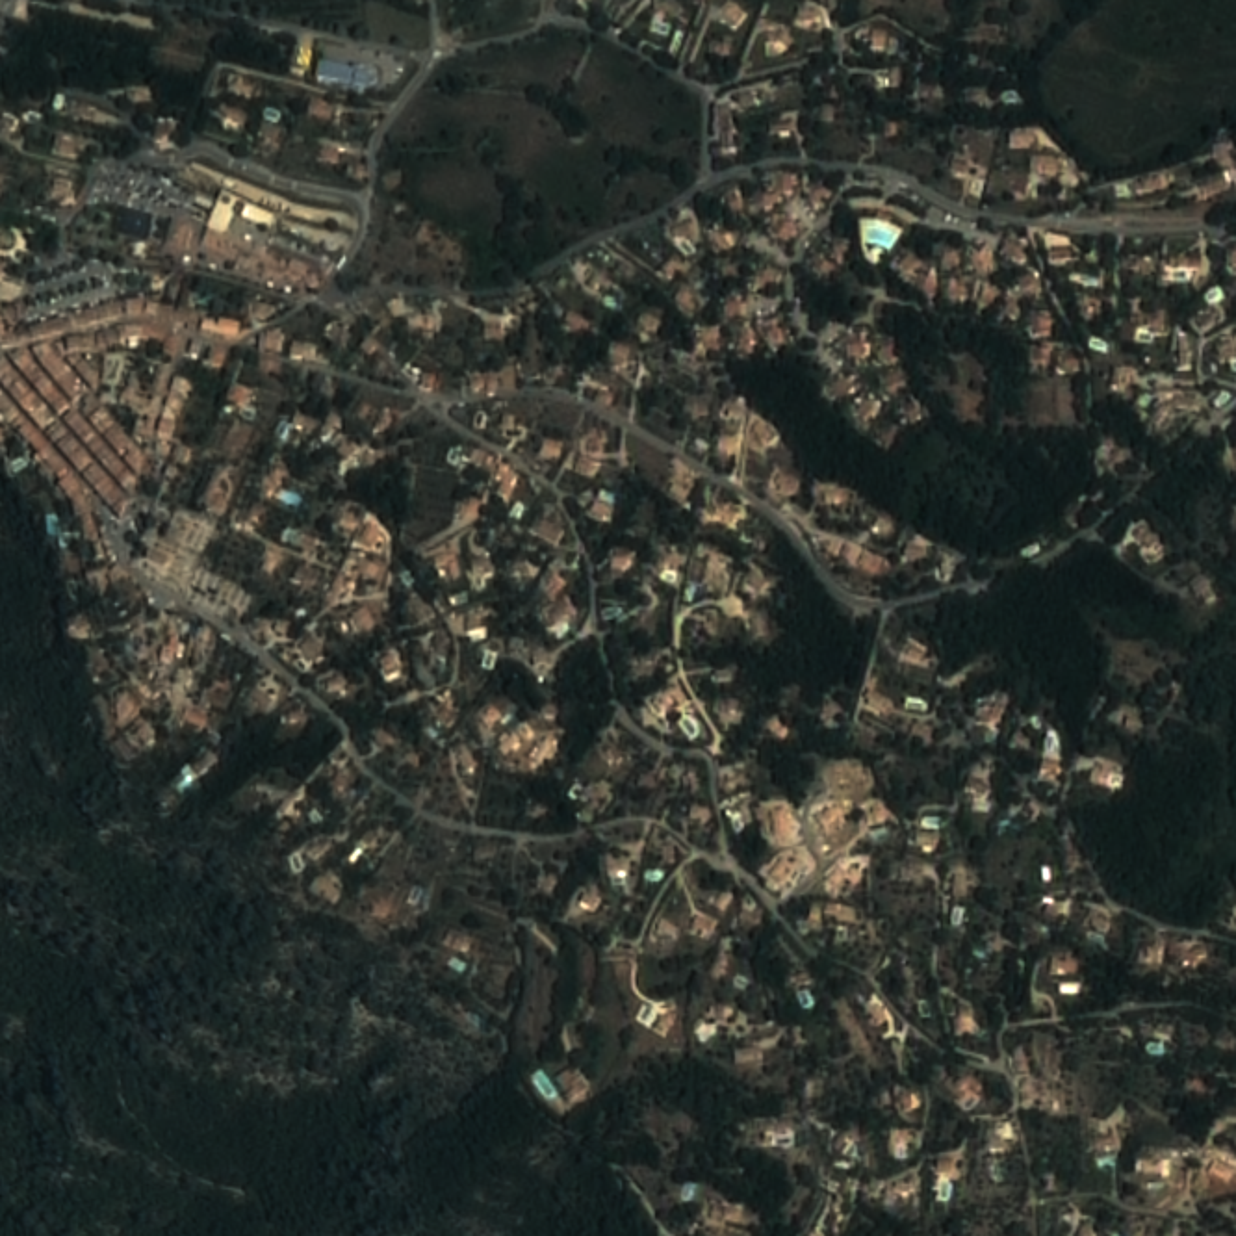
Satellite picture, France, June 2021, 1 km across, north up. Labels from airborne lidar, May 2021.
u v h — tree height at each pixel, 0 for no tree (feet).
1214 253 36
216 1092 21
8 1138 25
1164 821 44
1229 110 33
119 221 0
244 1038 24
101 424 0
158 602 0
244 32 38
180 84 57
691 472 0
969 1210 18
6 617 20
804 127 40
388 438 25
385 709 22
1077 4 24
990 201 30
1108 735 23
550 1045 44
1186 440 33
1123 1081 28
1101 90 0
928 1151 36
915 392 23
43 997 26
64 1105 61
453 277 24
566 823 36
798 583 46
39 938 86
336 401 39
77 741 21
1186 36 0
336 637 20
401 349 20
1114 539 34
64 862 18
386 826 21
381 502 50
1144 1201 21
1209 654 30
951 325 21
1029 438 36
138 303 0
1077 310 32
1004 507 55
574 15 29
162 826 21
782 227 0
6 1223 37
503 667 48
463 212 0
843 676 45
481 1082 23
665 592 21
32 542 20
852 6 37
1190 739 39
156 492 34
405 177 20
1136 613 20
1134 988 31
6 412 0
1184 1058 29
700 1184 44
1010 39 20
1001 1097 26
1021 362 32
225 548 20
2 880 28
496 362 42
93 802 34
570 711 48
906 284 30
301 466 30
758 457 0
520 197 35
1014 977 35
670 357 32
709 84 23
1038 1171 23
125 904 25
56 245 37
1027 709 39
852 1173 22
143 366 26
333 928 22
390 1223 22
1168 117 0
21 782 22
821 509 31
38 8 40
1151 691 50
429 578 18
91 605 42
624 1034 31
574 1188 29
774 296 41
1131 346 27
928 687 30
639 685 30
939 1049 29
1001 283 32
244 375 23
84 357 20
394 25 0
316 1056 44
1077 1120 24
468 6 0
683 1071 26
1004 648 30
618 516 28
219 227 0
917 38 23
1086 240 29
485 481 29
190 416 19
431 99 0
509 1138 39
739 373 47
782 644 32
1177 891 43
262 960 52
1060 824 32
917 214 31
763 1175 35
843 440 58
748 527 25
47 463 0
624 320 45
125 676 17
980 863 31
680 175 42
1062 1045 31
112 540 0
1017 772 26
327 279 0
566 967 38
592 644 34
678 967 30
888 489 58
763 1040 0
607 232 0
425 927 27
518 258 26
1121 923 19
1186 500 31
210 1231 38
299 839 22
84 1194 28
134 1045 66
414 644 27
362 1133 41
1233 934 21
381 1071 46
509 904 39
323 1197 34
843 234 36
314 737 58
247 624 24
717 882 45
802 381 60
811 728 32
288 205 0
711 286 30
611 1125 25
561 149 0
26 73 55
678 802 24
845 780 0
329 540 26
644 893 20
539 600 0
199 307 18
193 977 24
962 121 29
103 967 26
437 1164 25
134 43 57
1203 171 32
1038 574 49
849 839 0
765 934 33
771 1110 34
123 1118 45
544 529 0
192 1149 24
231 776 37
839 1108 23
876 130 32
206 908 21
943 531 44
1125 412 38
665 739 23
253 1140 23
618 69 0
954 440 37
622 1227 31
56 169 0
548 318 29
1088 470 51
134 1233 29
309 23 42
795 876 0
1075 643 50
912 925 22
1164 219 0
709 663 26
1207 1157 0
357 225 0
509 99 0
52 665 24
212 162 0
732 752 17
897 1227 41
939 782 28
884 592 24
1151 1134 0
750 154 37
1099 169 23
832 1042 21
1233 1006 29
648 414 21
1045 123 32
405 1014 54
